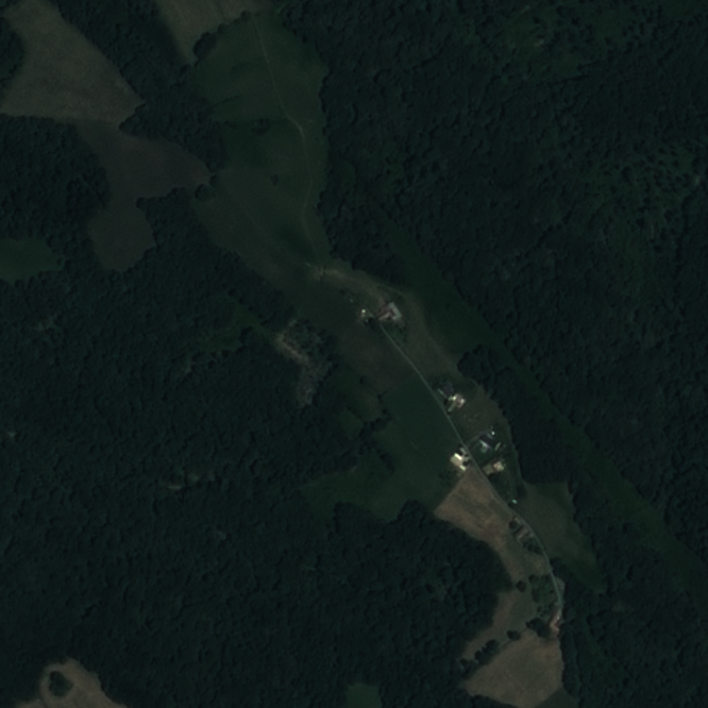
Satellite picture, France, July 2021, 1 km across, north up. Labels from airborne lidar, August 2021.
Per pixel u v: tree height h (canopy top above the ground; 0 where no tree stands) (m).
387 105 24
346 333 0
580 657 19
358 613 24
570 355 20
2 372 25
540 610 6
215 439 18
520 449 18
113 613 28
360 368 0
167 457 22
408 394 0
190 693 28
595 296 25
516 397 22
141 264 13
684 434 19
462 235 22
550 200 31
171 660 26
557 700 0
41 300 18
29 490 25
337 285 0
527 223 25
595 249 28
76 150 26
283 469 28
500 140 29
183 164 0
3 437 25
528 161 33
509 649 0
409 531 26
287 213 0
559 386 23
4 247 0
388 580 31
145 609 28
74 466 23
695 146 25
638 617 26
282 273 0
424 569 25
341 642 23
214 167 17
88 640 33
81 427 23
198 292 24
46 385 25
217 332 22
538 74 10
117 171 0
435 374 0
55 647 24
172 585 27
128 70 23
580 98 25
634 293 13
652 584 27
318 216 8
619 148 28
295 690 20
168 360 13
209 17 0
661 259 8
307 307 0
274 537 23
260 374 24
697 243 27
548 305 20
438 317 0
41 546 21
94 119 0
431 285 0
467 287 24
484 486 0
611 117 26
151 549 23
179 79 26
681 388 31
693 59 29
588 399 31
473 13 32
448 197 27
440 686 22
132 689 29
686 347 20
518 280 11
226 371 24
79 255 21
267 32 0
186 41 0
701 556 21
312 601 24
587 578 0
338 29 7
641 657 28
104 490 29
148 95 20
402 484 0
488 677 0
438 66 28
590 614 12
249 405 24
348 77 28
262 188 0
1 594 22
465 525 0
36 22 0
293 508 23
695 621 18
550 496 0
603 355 20
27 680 25
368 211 21
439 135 40
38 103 0
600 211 12
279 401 24
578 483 22
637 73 23
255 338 29
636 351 23
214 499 20
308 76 0
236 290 22
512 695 0
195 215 14
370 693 0
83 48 0
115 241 0
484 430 0
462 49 26
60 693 6
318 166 0
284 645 24
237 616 23
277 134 0
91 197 32
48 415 18
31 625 23
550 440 21
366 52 21
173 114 19
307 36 24
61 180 32
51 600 25
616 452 21
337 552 26
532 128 26
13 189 20
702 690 24
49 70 0
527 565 0
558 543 0
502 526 0
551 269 18
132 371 16
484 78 32
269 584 31
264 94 0
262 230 0
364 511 24
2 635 21
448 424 0
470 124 22
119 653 28
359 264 23
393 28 24
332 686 22
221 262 19
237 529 20
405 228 17
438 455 0
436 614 23
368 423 9
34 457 21
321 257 0
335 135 21
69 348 26
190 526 20
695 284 23
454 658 27
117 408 24
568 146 21
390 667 20
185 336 25
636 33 23
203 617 29
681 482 30
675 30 20
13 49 27
